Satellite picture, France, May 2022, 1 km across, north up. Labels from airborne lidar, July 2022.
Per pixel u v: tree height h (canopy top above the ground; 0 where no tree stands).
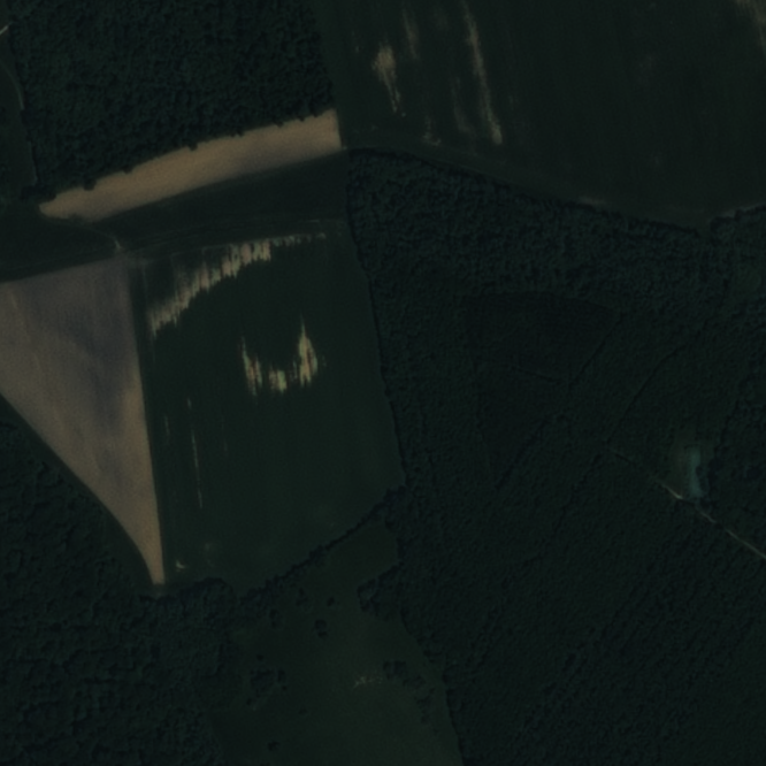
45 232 0
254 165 0
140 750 26
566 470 19
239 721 0
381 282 22
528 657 19
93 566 20
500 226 25
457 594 19
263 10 32
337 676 0
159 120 18
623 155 0
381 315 20
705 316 23
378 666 0
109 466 0
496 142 0
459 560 20
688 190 0
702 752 15
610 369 15
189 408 0
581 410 15
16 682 28
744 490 26
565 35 0
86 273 0
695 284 26
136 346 0
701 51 0
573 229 28
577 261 29
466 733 15
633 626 17
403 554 20
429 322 22
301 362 0
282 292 0
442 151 0
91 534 20
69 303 0
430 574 20
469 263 26
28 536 26
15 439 25
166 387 0
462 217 22
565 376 6
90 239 0
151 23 16
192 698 24
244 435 0
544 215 25
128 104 19
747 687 15
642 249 27
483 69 0
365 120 0
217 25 15
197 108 10
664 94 0
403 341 19
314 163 0
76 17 18
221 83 15
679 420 14
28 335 0
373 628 0
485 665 18
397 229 21
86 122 18
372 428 0
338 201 0
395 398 17
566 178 0
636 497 20
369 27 0
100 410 0
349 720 0
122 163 19
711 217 0
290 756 0
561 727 16
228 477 0
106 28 26
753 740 15
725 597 18
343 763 0
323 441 0
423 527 22
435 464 23
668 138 0
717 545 18
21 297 0
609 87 0
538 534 19
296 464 0
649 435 16
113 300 0
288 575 10
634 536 19
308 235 0
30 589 30
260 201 0
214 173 0
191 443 0
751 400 18
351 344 0
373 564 0
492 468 7
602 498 20
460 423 21
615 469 20
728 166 0
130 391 0
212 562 0
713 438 13
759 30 0
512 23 0
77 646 18
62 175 20
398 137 0
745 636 17
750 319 23
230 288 0
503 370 13
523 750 17
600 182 0
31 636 24
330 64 0
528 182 0
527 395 16
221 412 0
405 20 0
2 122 26
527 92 0
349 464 0
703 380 15
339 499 0
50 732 26
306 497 0
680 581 21
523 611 18
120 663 25
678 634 18
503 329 8
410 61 0
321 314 0
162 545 0
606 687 18
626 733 18
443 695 0
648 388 14
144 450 0
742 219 18
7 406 0
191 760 22
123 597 22
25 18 19
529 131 0
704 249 26
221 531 0
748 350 14
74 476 0
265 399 0
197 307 0
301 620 0
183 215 0
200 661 26
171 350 0
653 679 18
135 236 0
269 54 12
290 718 0
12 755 28
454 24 0
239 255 0
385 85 0
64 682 28
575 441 20
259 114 8
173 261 0
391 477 0
